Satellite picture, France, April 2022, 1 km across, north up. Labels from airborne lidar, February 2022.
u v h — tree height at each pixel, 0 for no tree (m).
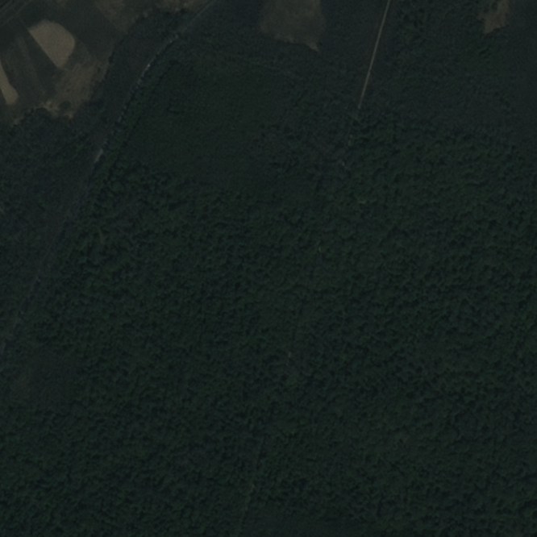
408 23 22
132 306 19
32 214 24
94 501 22
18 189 19
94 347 15
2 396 19
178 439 22
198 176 11
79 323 18
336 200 22
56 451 18
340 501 16
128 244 21
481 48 14
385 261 19
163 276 18
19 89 0
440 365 24
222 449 20
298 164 20
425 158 18
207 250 18
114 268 20
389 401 22
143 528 18
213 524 15
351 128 20
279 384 8
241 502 22
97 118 20
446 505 19
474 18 7
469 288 17
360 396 25
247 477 24
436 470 20
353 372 19
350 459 20
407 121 12
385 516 20
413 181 22
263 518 16
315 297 19
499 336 23
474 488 19
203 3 0
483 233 20
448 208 18
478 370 22
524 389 21
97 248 23
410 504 21
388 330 20
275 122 8
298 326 17
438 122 20
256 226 19
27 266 22
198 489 22
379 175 23
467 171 17
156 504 22
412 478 23
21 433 19
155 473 19
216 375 16
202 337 13
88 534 15
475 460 19
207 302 22
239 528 20
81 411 20
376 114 20
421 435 24
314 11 0
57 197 15
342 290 21
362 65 15
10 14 0
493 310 20
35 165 24
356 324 19
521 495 25
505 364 21
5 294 21
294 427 21
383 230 21
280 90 0
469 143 19
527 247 20
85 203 16
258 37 16
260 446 20
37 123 17
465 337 20
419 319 18
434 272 20
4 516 20
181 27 13
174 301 19
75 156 15
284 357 19
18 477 19
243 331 18
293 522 13
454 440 22
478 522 20
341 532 13
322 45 10
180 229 22
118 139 13
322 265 22
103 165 17
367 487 12
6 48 0
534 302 22
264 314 18
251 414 14
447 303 20
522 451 19
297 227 20
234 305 18
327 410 19
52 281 16
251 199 16
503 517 23
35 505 15
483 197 19
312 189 12
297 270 19
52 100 0
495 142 20
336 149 16
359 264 20
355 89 18
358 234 16
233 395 11
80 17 0
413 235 20
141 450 23
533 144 16
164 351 16
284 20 0
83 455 19
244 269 18
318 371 20
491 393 21
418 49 17
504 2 0
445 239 26
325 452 20
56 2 0
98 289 23
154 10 0
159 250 23
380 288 20
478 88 16
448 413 22
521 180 19
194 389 13
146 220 25
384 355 15
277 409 19
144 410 18
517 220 23
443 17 19
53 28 0
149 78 17
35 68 0
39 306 17
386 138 16
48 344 14
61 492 14
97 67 0
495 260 22
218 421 18
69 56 0
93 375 13
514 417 16
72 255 17
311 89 16
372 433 22
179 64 12
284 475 18
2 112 0
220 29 14
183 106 12
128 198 26
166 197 21
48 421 20
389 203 21
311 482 18
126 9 0
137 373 18
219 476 21
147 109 12
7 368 20
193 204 19
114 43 0
